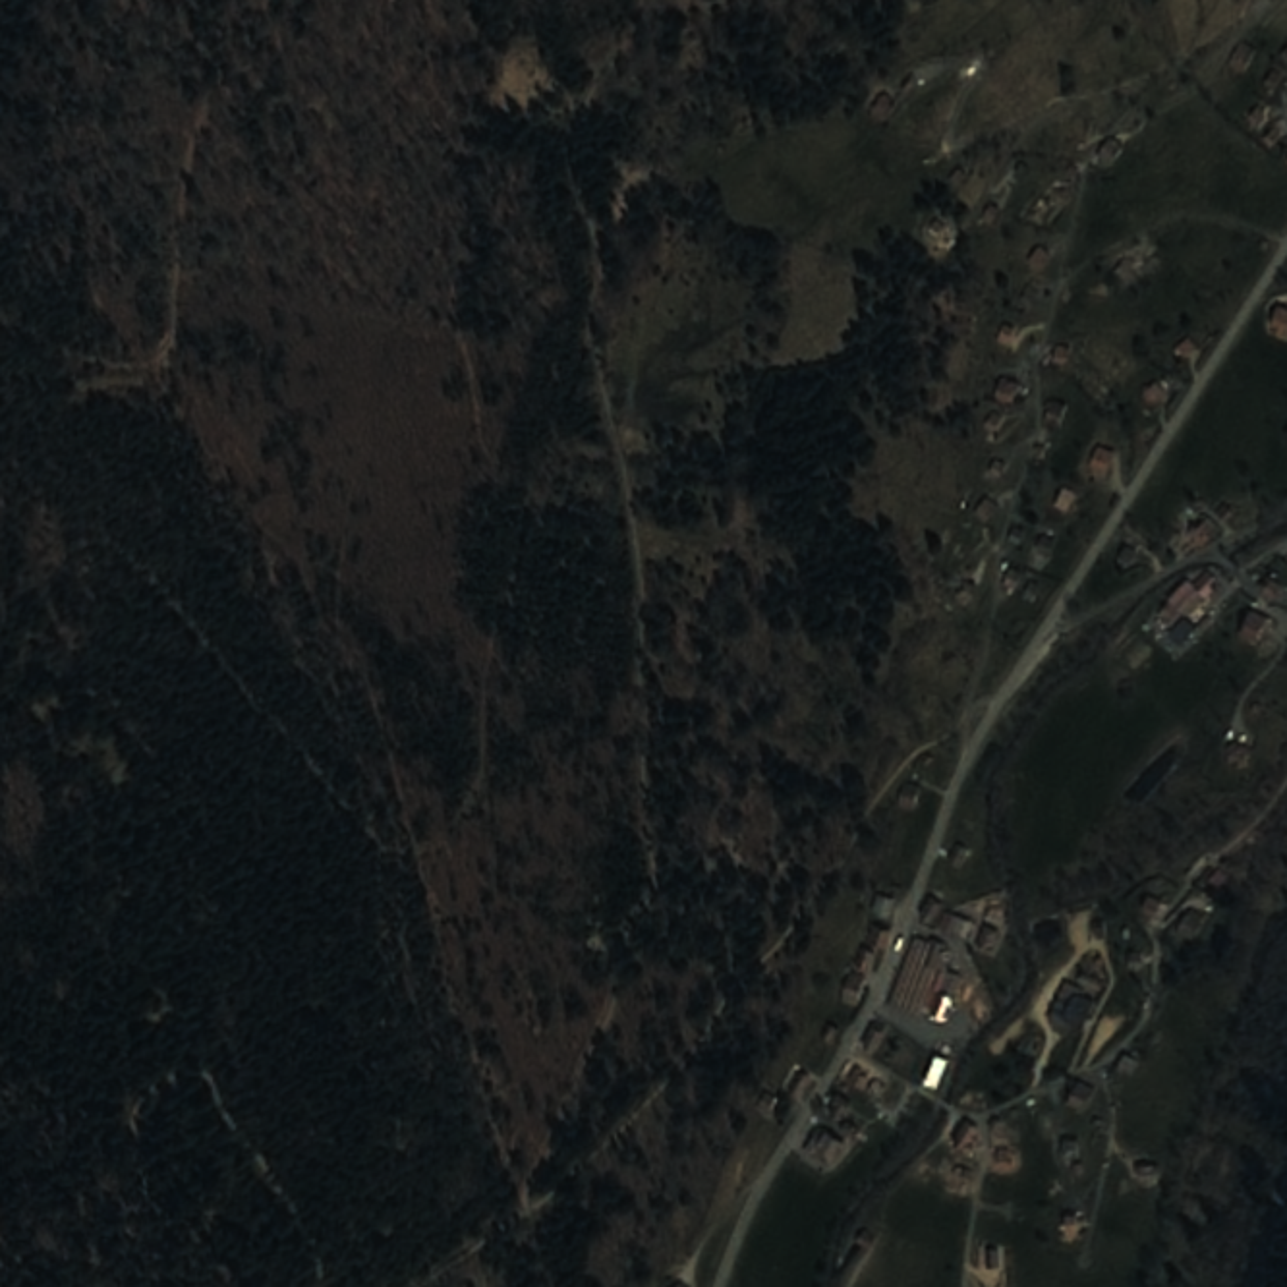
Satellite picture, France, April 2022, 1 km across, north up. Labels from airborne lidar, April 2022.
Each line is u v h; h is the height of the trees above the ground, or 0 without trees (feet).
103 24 52
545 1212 24
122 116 33
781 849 48
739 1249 0
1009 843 55
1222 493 0
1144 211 0
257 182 84
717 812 87
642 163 45
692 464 52
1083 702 0
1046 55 0
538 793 30
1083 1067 0
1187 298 0
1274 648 0
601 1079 71
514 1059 47
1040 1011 0
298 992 82
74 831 96
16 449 89
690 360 0
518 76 0
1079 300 0
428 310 102
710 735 37
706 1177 61
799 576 55
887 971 0
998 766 50
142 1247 105
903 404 58
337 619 31
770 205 0
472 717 47
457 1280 66
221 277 36
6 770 97
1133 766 0
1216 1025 0
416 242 84
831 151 0
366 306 35
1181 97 0
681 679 22
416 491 54
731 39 50
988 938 0
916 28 0
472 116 64
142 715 107
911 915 0
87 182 37
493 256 112
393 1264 72
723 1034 62
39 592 121
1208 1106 47
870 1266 0
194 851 127
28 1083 96
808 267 0
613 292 73
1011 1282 0
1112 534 0
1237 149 0
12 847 76
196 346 42
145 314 44
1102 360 0
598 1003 31
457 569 51
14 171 30
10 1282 47
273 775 87
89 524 75
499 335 91
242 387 35
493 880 49
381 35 97
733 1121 52
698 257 0
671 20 83
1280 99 0
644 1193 45
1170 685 0
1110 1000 0
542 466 51
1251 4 0
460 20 103
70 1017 71
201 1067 126
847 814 57
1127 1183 0
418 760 40
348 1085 101
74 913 88
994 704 0
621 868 31
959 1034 0
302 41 50
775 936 19
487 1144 93
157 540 61
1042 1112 0
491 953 47
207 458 20
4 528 88
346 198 122
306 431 39
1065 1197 0
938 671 0
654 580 41
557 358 58
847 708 19
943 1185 0
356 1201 85
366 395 47
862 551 49
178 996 79
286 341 52
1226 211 0
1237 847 0
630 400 50
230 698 71
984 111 0
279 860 91
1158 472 0
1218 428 0
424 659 43
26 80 31
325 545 56
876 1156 0
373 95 114
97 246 38
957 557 0
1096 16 0
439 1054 99
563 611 63
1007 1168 0
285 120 48
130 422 86
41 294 72
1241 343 0
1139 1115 0
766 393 33
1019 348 0
